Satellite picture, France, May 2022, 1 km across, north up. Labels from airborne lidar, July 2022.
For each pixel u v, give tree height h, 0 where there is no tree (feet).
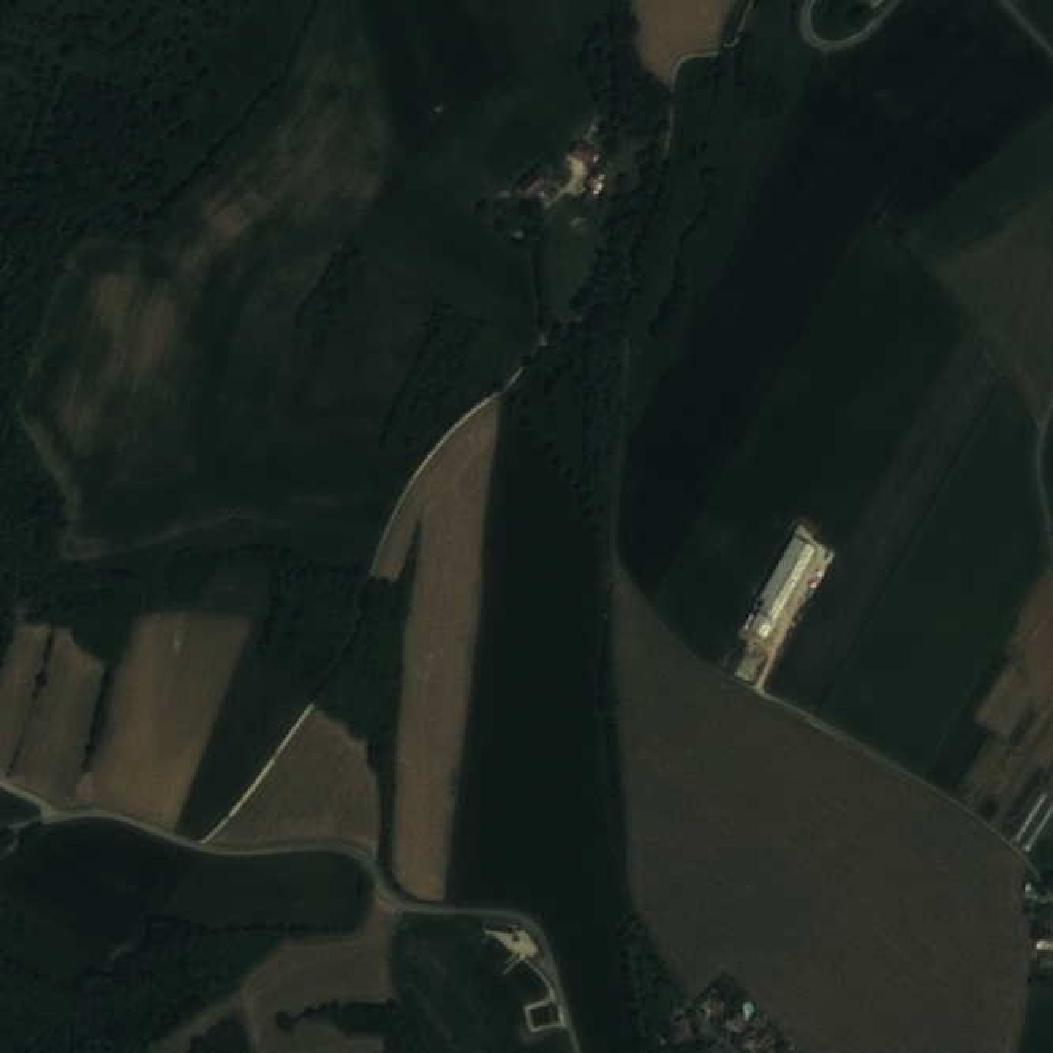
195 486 0
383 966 0
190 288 0
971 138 0
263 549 26
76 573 40
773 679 0
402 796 0
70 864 0
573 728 0
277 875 0
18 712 0
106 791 0
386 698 45
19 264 64
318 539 0
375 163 0
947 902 0
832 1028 0
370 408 0
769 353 0
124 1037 94
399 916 0
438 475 0
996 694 0
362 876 22
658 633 0
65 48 39
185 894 0
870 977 0
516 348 0
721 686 0
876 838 0
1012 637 0
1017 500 0
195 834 0
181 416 0
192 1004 62
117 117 51
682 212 0
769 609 0
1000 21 0
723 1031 21
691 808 0
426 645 0
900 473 0
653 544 0
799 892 0
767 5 44
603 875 0
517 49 0
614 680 42
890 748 0
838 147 0
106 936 0
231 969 88
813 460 0
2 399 62
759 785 0
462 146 0
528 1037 0
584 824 0
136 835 0
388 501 0
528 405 36
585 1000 0
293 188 0
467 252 0
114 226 66
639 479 0
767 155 0
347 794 0
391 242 0
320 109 0
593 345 66
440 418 0
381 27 0
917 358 0
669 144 0
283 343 0
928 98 0
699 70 0
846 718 0
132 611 57
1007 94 0
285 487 0
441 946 0
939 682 0
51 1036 85
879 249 0
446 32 0
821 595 0
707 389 0
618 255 54
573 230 0
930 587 0
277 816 0
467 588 0
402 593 48
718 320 0
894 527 0
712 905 0
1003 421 0
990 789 0
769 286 0
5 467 49
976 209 0
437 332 36
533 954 0
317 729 0
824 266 0
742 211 0
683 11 0
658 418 0
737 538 0
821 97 0
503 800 0
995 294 0
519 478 0
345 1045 0
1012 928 0
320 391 0
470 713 0
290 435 0
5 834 38
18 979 69
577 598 0
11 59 29
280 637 51
